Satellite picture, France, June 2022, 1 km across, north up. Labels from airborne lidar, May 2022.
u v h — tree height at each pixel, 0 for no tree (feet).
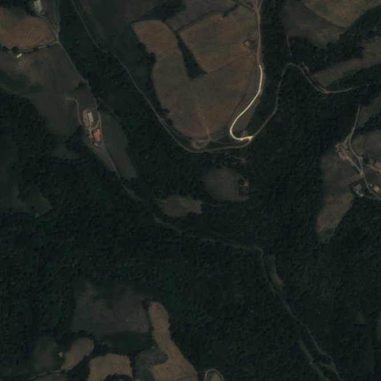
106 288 0
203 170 33
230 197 0
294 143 55
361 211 55
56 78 0
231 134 0
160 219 52
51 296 31
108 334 0
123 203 54
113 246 51
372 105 0
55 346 0
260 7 0
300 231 38
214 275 49
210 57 0
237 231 64
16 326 39
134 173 0
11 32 0
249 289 79
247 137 0
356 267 47
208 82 0
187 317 31
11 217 72
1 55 0
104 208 59
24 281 46
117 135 0
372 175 0
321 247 35
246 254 65
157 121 46
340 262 95
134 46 0
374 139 0
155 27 0
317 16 0
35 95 0
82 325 0
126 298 0
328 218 0
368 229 58
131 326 0
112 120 0
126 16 0
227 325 78
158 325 0
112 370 0
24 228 79
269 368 46
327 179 0
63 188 44
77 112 0
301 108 82
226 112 0
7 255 54
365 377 75
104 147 0
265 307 76
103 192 45
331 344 78
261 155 21
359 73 44
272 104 23
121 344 0
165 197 58
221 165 31
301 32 0
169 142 24
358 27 24
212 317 58
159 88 0
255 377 36
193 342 79
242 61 0
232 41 0
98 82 31
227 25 0
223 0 0
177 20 0
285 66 53
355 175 0
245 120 0
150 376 0
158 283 26
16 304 66
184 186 49
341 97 48
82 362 34
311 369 37
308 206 62
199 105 0
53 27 0
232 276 63
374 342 40
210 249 106
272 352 37
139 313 0
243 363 46
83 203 74
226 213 56
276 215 56
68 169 104
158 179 30
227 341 36
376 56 0
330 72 0
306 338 60
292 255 24
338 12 0
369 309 0
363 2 0
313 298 28
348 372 45
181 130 0
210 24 0
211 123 0
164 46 0
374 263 33
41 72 0
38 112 24
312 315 64
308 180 42
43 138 59
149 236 50
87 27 0
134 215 80
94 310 0
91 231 65
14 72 0
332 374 35
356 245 89
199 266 41
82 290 0
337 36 0
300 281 36
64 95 0
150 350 0
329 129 59
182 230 44
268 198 65
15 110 70
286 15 0
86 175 57
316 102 58
